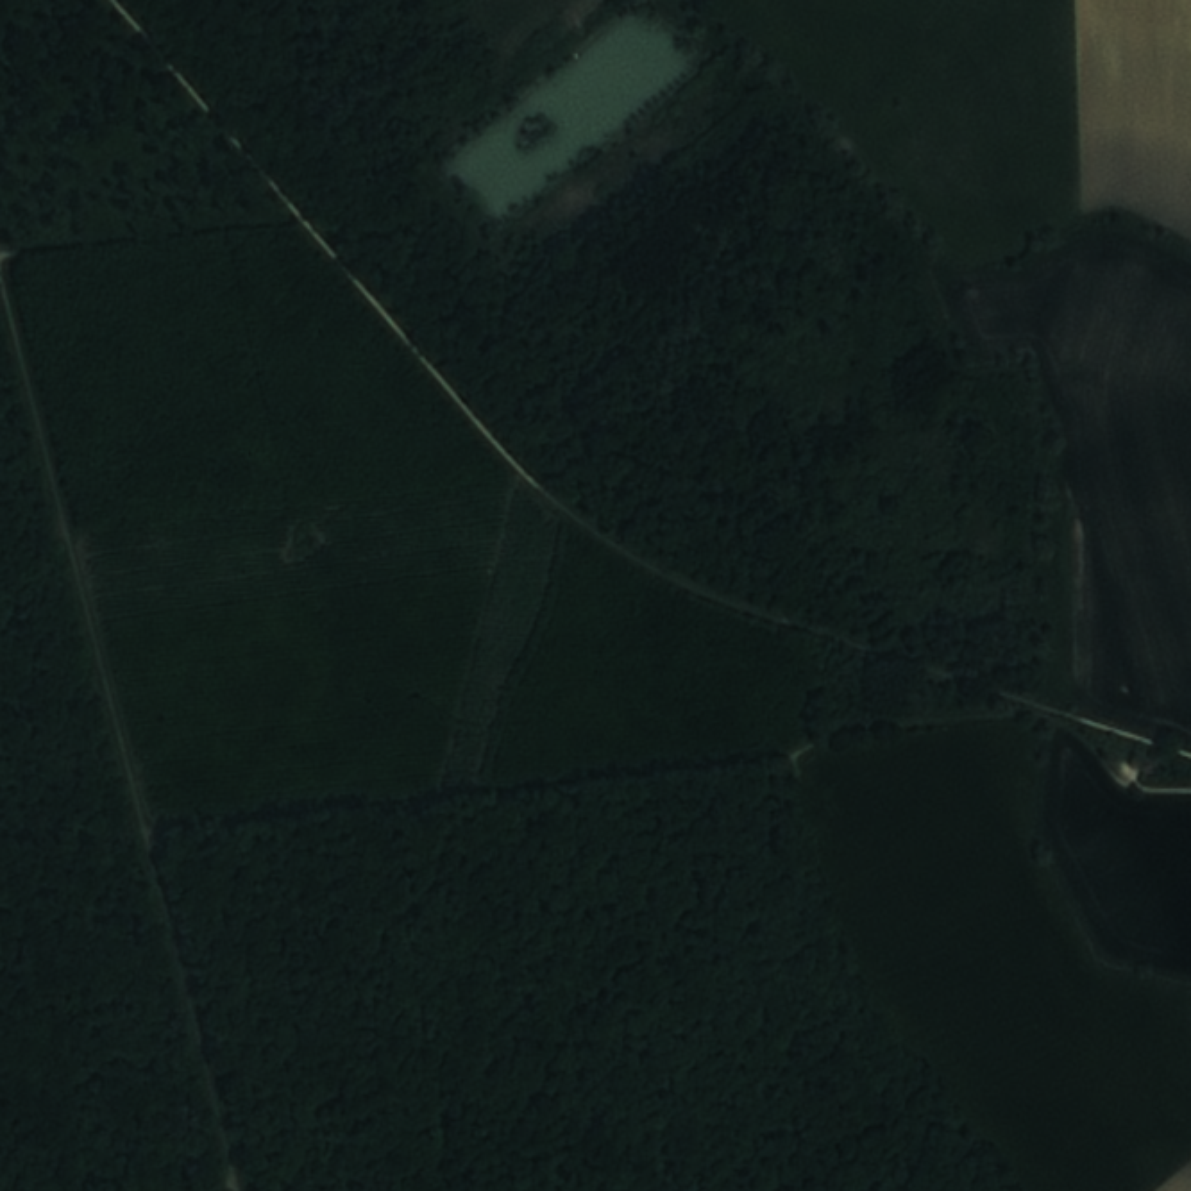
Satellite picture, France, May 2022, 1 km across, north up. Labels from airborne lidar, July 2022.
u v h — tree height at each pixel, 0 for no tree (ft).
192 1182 84
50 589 83
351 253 92
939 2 0
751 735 27
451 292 86
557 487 88
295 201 68
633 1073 88
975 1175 81
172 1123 84
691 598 23
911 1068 81
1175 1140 0
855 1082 93
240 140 71
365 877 89
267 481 35
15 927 92
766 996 92
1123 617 0
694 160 21
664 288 72
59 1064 91
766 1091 61
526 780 24
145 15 75
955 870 0
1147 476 0
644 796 72
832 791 0
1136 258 0
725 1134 80
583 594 24
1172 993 0
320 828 90
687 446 74
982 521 0
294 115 90
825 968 90
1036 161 0
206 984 76
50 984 109
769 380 20
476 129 21
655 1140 76
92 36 82
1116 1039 0
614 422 73
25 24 83
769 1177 82
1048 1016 0
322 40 76
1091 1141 0
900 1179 91
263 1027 87
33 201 61
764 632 23
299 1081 88
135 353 38
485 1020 79
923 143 0
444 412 37
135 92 84
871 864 0
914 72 0
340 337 33
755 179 26
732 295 70
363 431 34
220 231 30
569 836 69
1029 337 0
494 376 89
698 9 52
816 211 28
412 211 81
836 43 0
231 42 88
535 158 0
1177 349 0
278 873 90
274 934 78
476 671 17
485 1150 79
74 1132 87
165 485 40
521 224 0
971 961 0
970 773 0
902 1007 0
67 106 0
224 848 85
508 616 18
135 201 87
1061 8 0
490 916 84
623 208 80
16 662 83
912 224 55
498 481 18
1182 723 0
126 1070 93
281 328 33
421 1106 75
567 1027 89
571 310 60
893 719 38
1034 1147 0
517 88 22
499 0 0
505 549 18
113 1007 94
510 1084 83
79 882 89
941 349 19
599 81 0
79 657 67
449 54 41
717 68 22
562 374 45
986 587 19
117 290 37
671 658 30
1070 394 0
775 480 21
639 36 0
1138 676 0
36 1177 86
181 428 42
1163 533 0
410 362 27
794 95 18
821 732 77
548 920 95
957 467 23
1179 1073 0
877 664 70
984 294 0
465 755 18
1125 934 0
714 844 83
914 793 0
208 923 82
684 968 78
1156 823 0
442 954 81
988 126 0
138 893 83
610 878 103
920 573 19
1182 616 0
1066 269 0
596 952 83
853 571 18
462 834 78
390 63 79
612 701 21
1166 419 0
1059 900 0
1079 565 0
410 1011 84
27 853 85
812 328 19
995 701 68
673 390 45
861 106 0
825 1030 99
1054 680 0
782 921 84
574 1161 76
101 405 40
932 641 57
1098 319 0
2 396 83
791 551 70
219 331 39
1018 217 0
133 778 0
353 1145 79
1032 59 0
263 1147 66
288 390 34
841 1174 84
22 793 83
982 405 19
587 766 19
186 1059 83
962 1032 0
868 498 23
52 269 45
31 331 34
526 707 21
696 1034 79
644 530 77
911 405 40
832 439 47
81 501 35
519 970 79
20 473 75
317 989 84
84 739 84
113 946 91
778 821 84
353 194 78
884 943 0
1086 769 0
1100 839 0
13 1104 94
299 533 18
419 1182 77
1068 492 0
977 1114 0
